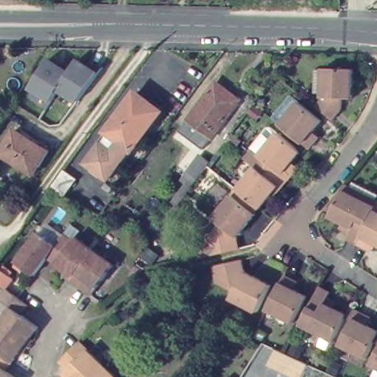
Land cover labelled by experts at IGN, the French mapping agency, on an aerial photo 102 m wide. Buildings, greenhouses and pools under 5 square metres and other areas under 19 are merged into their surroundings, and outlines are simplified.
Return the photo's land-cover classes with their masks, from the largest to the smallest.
<instances>
[{"label":"impervious surface","instance_id":"1","mask_svg":"<svg viewBox=\"0 0 377 377\"><path fill-rule=\"evenodd\" d=\"M202 0H0V40L13 41L31 38V49L49 47L56 49L57 53L69 52L78 57L87 52H94L96 59L108 57L112 60L119 49L130 52L134 50L137 53L146 50L149 54L135 69L130 80L122 85L99 121L88 131L77 152L66 163L65 171L74 177V183L65 194L66 199L75 206L88 209L97 216H106L109 214V196L115 191L110 190L106 180H97L80 165L91 144L100 137V128L108 121L127 91L140 94L147 102L156 106L159 112L165 113L166 116H180L197 88L206 80V75L211 72L208 69V60L203 54L240 53H246L247 49L252 50V53H258L269 54L271 50L284 53L286 47H308L311 50L333 47L337 50H362L370 53V56H377V0H340L337 12L328 9L315 12L311 9L303 7L296 10H236L200 4ZM253 102L244 97L243 100L242 106L222 133L216 135L209 146L200 147L203 159L211 166L219 162V155L215 152L227 141L228 134L231 133L242 115H249ZM317 138L308 149L315 150L314 155L309 158V165L317 171V180H311L308 186L299 190L290 178L278 193H271L286 203L287 211L269 221L264 215L265 206L262 205L253 212L249 221L239 231L236 239L239 246L256 243L261 252V255L252 258H246L244 255L240 261L243 271L252 275L255 271L264 272L268 267L281 272H286V269L299 272L305 280L314 283L315 289L321 287L323 280L330 281L334 286L336 283H348L365 293L367 302L356 308L359 317L371 320L377 318V247L364 252L355 244L343 242V246L336 250H331L325 243L321 237L323 230L317 227L315 221L327 219V209L324 206L327 205V199H334V190L345 191V186L346 175L349 174L346 168L356 165L377 143V99L362 127L356 133L348 131L342 143L333 144L339 130L333 122H325L324 116L318 121L314 128ZM274 131L269 127L262 128L261 133L250 144L249 149L258 152L265 143V138ZM221 177L211 168L196 191L199 194L208 191ZM69 225L77 228L78 233L87 227L78 224L77 221H69L65 216L59 222L54 221L50 222V227L47 228L54 236L59 231L63 233ZM10 295L18 297L22 302L27 299L31 302L21 317L35 325L34 333L19 348L24 355H21L18 362L12 361L9 365L7 374L12 377H60L59 359L68 352L69 345L74 342L81 343L84 340L82 334L88 324L82 309L88 308L90 303L88 299H82L80 302L77 290L68 286L60 277V272L56 271L50 275V281L40 277L32 286L29 284V277L22 272H12L10 284L7 286ZM255 356L250 361L252 368L246 377H287L267 367L269 355L275 350L267 345L258 346L255 349Z\"/></svg>","mask_w":377,"mask_h":377},{"label":"building","instance_id":"2","mask_svg":"<svg viewBox=\"0 0 377 377\"><path fill-rule=\"evenodd\" d=\"M96 78V74L78 60H72L68 68L62 69L47 59L32 71V77L25 87L28 100L37 105L41 103L46 109L49 103L54 105L56 100L68 103V112L60 119L59 124H65L71 118L81 103L78 97L81 91L85 90ZM350 71L331 69H318L312 72V91L317 96L318 108L324 116L325 122H333L334 113L340 109L342 100L350 94ZM243 100L222 87L218 81L200 97L199 102L188 113L186 122L183 125L177 122L174 135V140L183 144V155L178 162V168L181 186L175 193L169 191L171 203L180 202L187 191H196L211 168V166L203 159L200 147L209 146L216 135L222 133L242 106ZM159 112L156 106L147 102L140 94L127 91L108 121L100 128V137L91 144L80 165L97 180H106L119 163L125 156L130 155L135 144L149 130ZM264 102L259 97L253 102L249 115L250 118H261ZM274 124L305 149H308L317 138L314 128L318 121L297 102H296L290 105ZM18 122H12L0 135V159L15 168L22 177L29 178L47 152L25 135L19 134ZM296 156V150L284 143L274 131L265 138V143L258 152L249 149L244 152L243 163L239 166V180L227 181L221 177L208 191L215 197L216 206L212 212V222L216 230L212 234L202 233L197 255L211 256L234 252L239 246L236 239L239 231L249 221L253 212L262 205L271 193H278L290 178L295 166L292 159ZM227 141L236 149L239 138L231 133L228 134ZM74 183V177L65 171L57 174L52 181V188L56 193L65 194ZM327 209V219L337 225L339 233L336 234V240L343 242L355 244L364 252L377 247V193L351 183L350 186H345V191L334 190V199H327V205L324 206ZM54 221L50 215L46 216L38 227L29 228L27 240L13 255L12 265L0 267V377H12L7 374L9 365L12 361L18 362L21 355H24L19 348L34 333L35 325L21 317L31 302L27 299L22 302L18 297L10 295L7 286L10 284L12 272H22L29 277L43 267L44 262H49L56 271L60 272V277L68 286L77 290L80 302L82 299H88L90 303L99 300L100 299L97 290H94V286L108 269L109 262L78 242L75 236L78 233L77 228L69 225L63 233L59 231L54 236L47 228L50 227V222ZM159 261V255H155L146 247L138 256L134 261L138 271H143L146 265H155ZM212 281L215 286L225 290V300L246 312L256 311V306L267 290V284L252 275L243 271L240 261L212 267ZM284 278L296 283L295 278L289 277L286 272H281L277 283L272 287L262 314L268 320H281L284 324H289L303 300L300 293L281 286ZM327 292L321 287L315 289L297 320V327L311 334V337L302 345H292L287 348L286 353L275 350L269 355L267 367L287 377H303V362L309 358L308 343L323 350L331 346L352 355L355 361H361L365 349L370 348L371 340L377 331V318L371 320L359 317L356 308H350L349 314H340L336 309L328 308L324 305ZM60 377H113L81 343L74 342L69 345L68 352L59 359ZM371 377H377V345L371 353L367 367ZM346 362L342 359H336L330 365L328 373L334 377H342ZM252 368L250 361H247L243 374H231L230 377H246Z\"/></svg>","mask_w":377,"mask_h":377},{"label":"herbaceous vegetation","instance_id":"3","mask_svg":"<svg viewBox=\"0 0 377 377\"><path fill-rule=\"evenodd\" d=\"M311 0H202L200 4L236 10H296L303 7L311 9ZM13 41L0 40V93L7 97L16 93L21 108L43 119L47 124H59L60 119L68 112V103L56 100L54 105L49 103L46 109L41 103L37 105L28 100L25 87L32 77V71L47 59L62 69L68 68L72 60H78L96 74V78L85 90L90 93L96 87L112 60L108 57L96 59L94 52H87L78 57L69 52L57 53L56 49L49 47L31 49L19 56H12L10 46ZM15 62H24V71H15ZM333 53L342 54V59L330 63L331 69L350 71V94L342 100L340 109L349 122L358 121L377 80V56H370V53L362 50H337L333 47L311 50L308 47H286L284 53L271 50L269 54L277 57H300L296 75H293L292 80L302 81L303 84L312 87V72L318 69L312 62V56ZM258 53H252V50L247 49L246 53H240L231 65L225 66L218 81L222 87L243 100L244 97V91L242 90V88H240L239 80L240 72H242L243 68H246L247 63L252 62ZM137 53L134 50L130 52L115 74L110 77L108 84L100 91L99 96L82 113L71 133L65 138H60L54 156L47 152L29 178L22 177L15 168L0 159V184L21 187L25 191L29 206H32L40 200L41 188V180L50 166L71 143L90 113L96 109L100 100L105 97L109 88L115 84ZM295 88L287 85L286 80L277 81L272 88L265 87L262 96L259 97L264 102L261 118L271 116L272 125L269 127L274 131L284 143L296 150V156L292 159L295 166L302 162L305 149L274 124L290 105L296 102ZM318 121L324 116L318 108L317 96L312 91L306 99L297 102ZM166 116L165 113L159 112L149 130L135 144L130 155L125 156L119 163L127 169L128 174L133 175L134 181L128 184V194L118 196L119 208L115 209V214L122 224L135 221L140 225L141 234L146 239V247L155 255H159V261L174 259L180 253V249L174 244L171 249L166 247L162 250L158 233L150 225L149 215L159 208V200L153 193V186L158 183L163 163L178 168V162L183 155V144L174 140V135L166 141H159V128ZM250 118L249 115H242L231 133L239 138L236 149L239 155L236 162L231 165L230 171H224L219 162L211 166V168L221 177L227 181L239 180V166L243 163L244 152L249 149L250 144L246 140V131L250 128ZM351 183L377 193V171L370 168L368 171L359 172ZM54 211L49 206H43L32 215L28 216L21 230L12 239L7 242L0 240V267L12 265L13 255L27 240L29 228L38 227L46 216L50 215ZM317 227L323 230L321 237L325 243L331 250H336L343 246V242L336 240V234L339 233L337 225L327 219L315 221ZM112 237H116L118 243L115 247L125 253V258L103 284L102 289L97 290L100 299H105L106 295L122 284L138 271L134 261L138 256L131 247V236H122V228L110 231L106 239L110 242ZM244 255L246 258H252L261 255V252L256 243L239 246L234 252L211 256L208 264L212 267L240 261ZM56 271L49 262H44L43 267L29 277V284L32 286L40 277L50 281V275ZM289 277L295 278L296 283L284 278L281 286L300 293L303 300L289 324H284L281 320H268L262 314L272 287L277 283L281 272L268 267L264 272L255 271L252 275L267 284V290L256 306V311L246 312L240 325L246 328L250 339L258 346L267 345L275 350L286 353L287 348L292 345L287 340V331L297 327V320L315 289L314 283L305 280L299 272L286 269V272ZM327 292L324 305L328 308L336 309L340 314H349L350 308L349 300L340 296L334 290V286L330 281L323 280L321 287ZM140 297H134L133 293H125L115 300L109 309H100L97 305L99 300L90 303L88 308L82 309L88 324L82 334L84 340L81 343L113 377H124L108 358L106 343L113 336H118L122 328L128 324L135 325L146 314L140 308L137 314L125 318L122 323L105 325L102 328L100 325L103 318L115 314L119 303L125 302L124 308H131L135 302H140ZM255 349L240 350L233 359V364L224 368L221 377H230L231 374H243L247 361H250L255 356ZM303 377H334L328 373L317 370L318 365L325 364L323 358H309L303 362ZM186 365L184 358L163 365L159 373H152L146 377H171ZM342 377H371L367 367L346 362Z\"/></svg>","mask_w":377,"mask_h":377},{"label":"deciduous trees","instance_id":"4","mask_svg":"<svg viewBox=\"0 0 377 377\"><path fill-rule=\"evenodd\" d=\"M311 9L315 12L328 9L337 12L340 0H311ZM31 38L13 41L10 46L12 56H19L31 49ZM300 57H277L269 54L258 53L252 62L247 63L246 68L250 71L249 84L256 85V88L255 93H247V91H244V97L253 102L259 97L262 96L265 87L272 88L277 81L286 80L287 85L295 88L296 102H297L306 99L312 91V87L303 84L302 81L292 80L293 75H296ZM312 62L318 69H331L330 63L342 59V54L333 53L312 56ZM21 108L16 93L7 97L0 93V135L12 122L9 116L18 113ZM180 116H166L159 128V141H166L174 135L177 122ZM250 128L246 131V140L250 144L261 133L262 128L269 127L272 125L271 116L261 118H250ZM219 155V162L224 171H230L231 165L236 162L239 155L236 149L227 141L215 152ZM315 150L308 149H305L302 162L295 166L290 178L299 190L308 186L311 180H317V171L309 165V158L314 155ZM110 190L115 191L109 196V214L106 216H97L88 209L75 206L66 199L65 194L56 193L52 188H41L40 200L32 206V215L43 206H49L54 211L62 208L65 216L69 221H77L78 224L87 227L106 239L110 231L122 228V236H131V247L138 256L146 247V239L141 234L140 225L135 221L122 224L115 214V209L119 208L118 196L128 194V184L134 181L133 175L128 174L127 169L119 163L106 180ZM181 186L178 168L163 163L158 183L153 186V193L159 200V208L149 215L150 225L158 233L162 250L166 247L171 249L174 244L180 249V253L174 259L159 261L155 265H146L143 271H138L122 284L125 293H133L134 297H140V302H135L131 308H124L125 302L119 303L115 314L103 318L100 325L102 328L105 325L122 323L125 318L137 314L140 308L146 314L135 325L128 324L122 328L118 336H113L106 343L108 358L124 377H146L152 373H159L163 365L184 358L186 365L171 377H221L224 368L233 364V359L240 350L255 349L258 346L250 339L246 328L240 325L246 312L225 300V290L215 286L212 281V267L208 264L211 256L197 255L202 233L212 234L216 230L212 222V212L216 206L215 197L208 191L199 194L196 191H187L180 202L171 203L169 191L175 193ZM29 206L25 191L21 187L0 184V209L4 214L16 218L19 212L27 211ZM265 206L264 215L269 221L287 211L286 203L271 193L262 205ZM334 290L340 296L349 300L350 308H356L367 302L365 293L348 283H336L334 286ZM311 337V334L297 327L287 331V340L292 345H302ZM309 358H323L325 364L318 365L317 370L328 373L330 365L336 359H342L345 352L331 346L323 350L308 343Z\"/></svg>","mask_w":377,"mask_h":377},{"label":"pervious surface","instance_id":"5","mask_svg":"<svg viewBox=\"0 0 377 377\"><path fill-rule=\"evenodd\" d=\"M130 52L119 49L112 60L96 87L90 93L85 90L81 91L78 97L81 103L71 118L65 124H47L43 119L21 108L18 113L9 116L12 122H18L19 134L25 135L47 152L54 156L60 138H65L71 133L82 113L99 96L100 91L108 84L110 77L115 74ZM149 54L146 50L137 53L115 84L109 88L105 97L100 100L96 109L90 113L71 143L50 166L41 180V188H52V181L57 174L65 171L66 163L77 152L88 131L99 121L122 85L130 80L135 69ZM240 53L203 54L208 60V69L211 72L206 75V80L197 88L180 116L177 122L183 125L186 122L188 113L199 102L200 97L218 81L225 66L231 65ZM377 99V80L358 121L349 122L348 131L356 133L362 127ZM32 206H29L27 211L19 212L16 218L4 214L0 209V240L7 242L12 239L21 230L28 216L32 215ZM78 242L109 262L108 269L94 286V290H97L102 289L103 284L125 258V253L115 247L118 243L116 237H112L110 242L106 239L87 227L78 233L75 236ZM377 345V331L371 340L370 348L365 349L361 361H355L352 355L345 352L342 359L346 362L367 367L371 353Z\"/></svg>","mask_w":377,"mask_h":377},{"label":"brushwood","instance_id":"6","mask_svg":"<svg viewBox=\"0 0 377 377\"><path fill-rule=\"evenodd\" d=\"M250 71L246 68H243L242 72H240L239 80L240 88H242V90L244 91H247V93H255L256 88V85L249 84ZM339 130L333 144L342 143L348 131L349 122L340 109L334 113L333 122ZM370 168L377 171V143L356 165L346 168L349 174L346 175L345 186H350L351 183L359 172L368 171ZM125 293L122 284L106 295L105 299H100L99 300L97 305L100 309H109L115 300Z\"/></svg>","mask_w":377,"mask_h":377},{"label":"swimming pool","instance_id":"7","mask_svg":"<svg viewBox=\"0 0 377 377\"><path fill-rule=\"evenodd\" d=\"M15 71H24V62H15ZM50 215L54 221L59 222L65 216L62 208L54 211Z\"/></svg>","mask_w":377,"mask_h":377}]
</instances>
